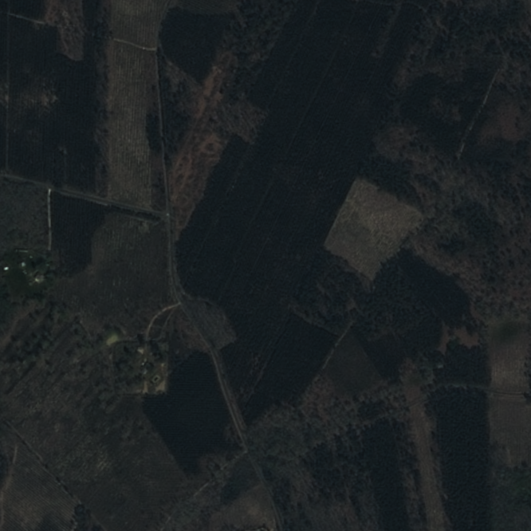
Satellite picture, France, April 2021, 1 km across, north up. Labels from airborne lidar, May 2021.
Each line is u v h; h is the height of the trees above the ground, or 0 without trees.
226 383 0
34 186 13
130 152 0
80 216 6
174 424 8
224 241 11
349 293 15
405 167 17
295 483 14
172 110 14
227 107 11
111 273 7
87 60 11
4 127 9
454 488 19
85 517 20
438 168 10
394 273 16
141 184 0
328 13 10
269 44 15
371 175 16
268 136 11
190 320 13
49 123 8
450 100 6
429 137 7
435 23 20
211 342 18
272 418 13
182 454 7
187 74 12
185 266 11
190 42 9
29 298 9
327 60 11
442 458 12
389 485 12
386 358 9
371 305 22
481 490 17
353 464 15
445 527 9
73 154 9
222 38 10
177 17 10
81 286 0
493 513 14
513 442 0
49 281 18
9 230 16
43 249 9
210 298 10
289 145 10
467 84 6
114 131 0
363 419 12
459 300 9
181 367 7
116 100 0
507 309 19
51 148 10
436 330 18
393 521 13
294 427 13
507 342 0
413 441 7
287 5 24
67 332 0
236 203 10
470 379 16
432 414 11
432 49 8
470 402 17
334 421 17
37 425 0
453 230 15
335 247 0
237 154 10
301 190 6
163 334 0
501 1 15
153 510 0
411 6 8
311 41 10
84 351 17
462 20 16
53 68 8
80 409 12
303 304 15
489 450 15
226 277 10
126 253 0
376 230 0
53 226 6
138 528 0
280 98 11
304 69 12
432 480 0
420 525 14
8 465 25
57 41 9
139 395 0
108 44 16
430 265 8
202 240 10
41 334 0
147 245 0
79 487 0
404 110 6
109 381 15
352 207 0
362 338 8
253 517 0
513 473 17
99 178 10
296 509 10
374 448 13
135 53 0
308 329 7
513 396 0
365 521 11
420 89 7
